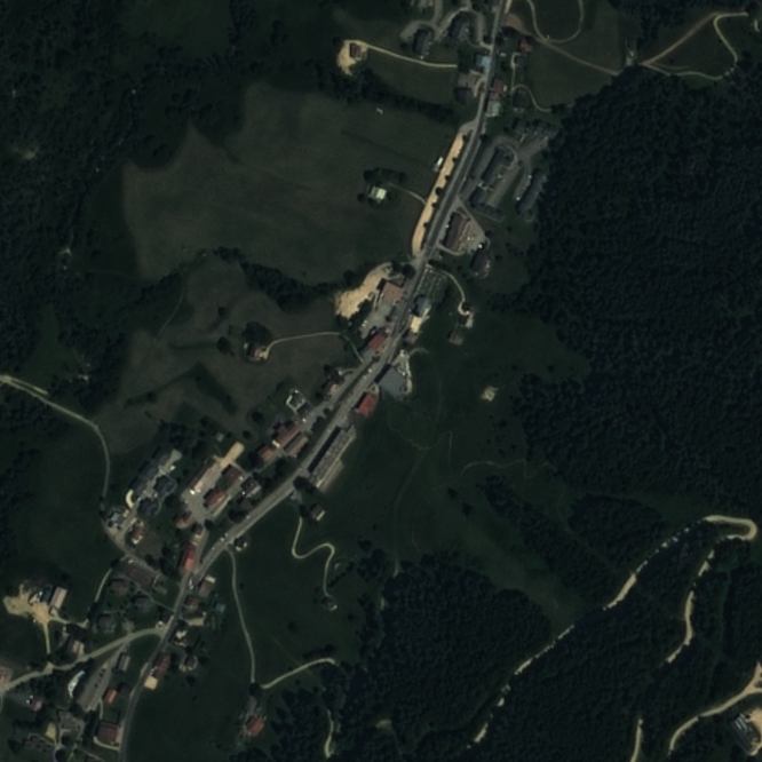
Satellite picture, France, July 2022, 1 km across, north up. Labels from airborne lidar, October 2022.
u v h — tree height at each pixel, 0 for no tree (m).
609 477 21
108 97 22
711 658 14
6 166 19
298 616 0
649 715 25
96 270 0
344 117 0
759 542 0
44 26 25
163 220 0
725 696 12
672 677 22
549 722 27
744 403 28
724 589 27
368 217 0
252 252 0
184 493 0
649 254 26
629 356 26
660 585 29
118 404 0
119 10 8
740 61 0
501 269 0
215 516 0
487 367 0
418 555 0
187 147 0
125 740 0
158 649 0
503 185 0
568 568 23
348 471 0
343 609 0
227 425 0
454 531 0
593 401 21
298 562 0
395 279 0
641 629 25
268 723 0
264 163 0
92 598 0
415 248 0
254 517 0
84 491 0
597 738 27
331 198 0
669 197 12
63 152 13
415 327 0
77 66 20
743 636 22
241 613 0
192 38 0
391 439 0
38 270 20
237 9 12
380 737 17
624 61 0
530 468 0
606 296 27
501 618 30
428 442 0
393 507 0
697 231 35
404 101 12
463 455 0
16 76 6
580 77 0
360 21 0
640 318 27
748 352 33
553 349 0
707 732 6
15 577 0
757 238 35
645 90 26
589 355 21
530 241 0
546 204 7
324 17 0
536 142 0
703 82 0
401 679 32
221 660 0
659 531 24
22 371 18
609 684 26
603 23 0
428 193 0
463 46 0
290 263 0
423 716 32
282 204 0
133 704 0
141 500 0
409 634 39
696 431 27
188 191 0
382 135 0
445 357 0
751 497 29
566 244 8
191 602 0
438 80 0
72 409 0
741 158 32
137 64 0
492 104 0
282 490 0
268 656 0
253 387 0
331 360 0
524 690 25
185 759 0
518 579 0
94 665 11
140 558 0
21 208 14
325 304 0
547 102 0
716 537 20
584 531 11
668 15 32
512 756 24
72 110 15
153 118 0
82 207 19
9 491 18
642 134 29
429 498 0
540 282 6
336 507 0
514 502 11
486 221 0
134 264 0
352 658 0
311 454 0
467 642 26
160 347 0
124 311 6
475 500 0
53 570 0
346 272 0
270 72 8
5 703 0
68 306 17
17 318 27
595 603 10
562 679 25
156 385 0
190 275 0
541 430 19
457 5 15
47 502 0
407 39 0
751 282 23
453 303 0
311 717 8
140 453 0
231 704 0
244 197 0
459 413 0
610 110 23
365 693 35
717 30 0
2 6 26
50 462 0
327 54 0
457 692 34
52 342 0
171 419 0
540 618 24
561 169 11
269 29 0
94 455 0
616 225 28
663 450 23
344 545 0
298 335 0
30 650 0
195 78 19
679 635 9
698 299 24
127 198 0
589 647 25
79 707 15
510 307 8
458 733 18
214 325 0
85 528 0
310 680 0
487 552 0
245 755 8
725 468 32
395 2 0
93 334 22
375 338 0
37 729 22
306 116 0
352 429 0
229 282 0
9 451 0
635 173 29
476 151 0
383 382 0
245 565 0
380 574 27
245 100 0
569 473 18
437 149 0
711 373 12
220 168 0
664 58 0
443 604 32
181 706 0
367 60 0
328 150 0
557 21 0
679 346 34
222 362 0
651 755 29
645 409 7
